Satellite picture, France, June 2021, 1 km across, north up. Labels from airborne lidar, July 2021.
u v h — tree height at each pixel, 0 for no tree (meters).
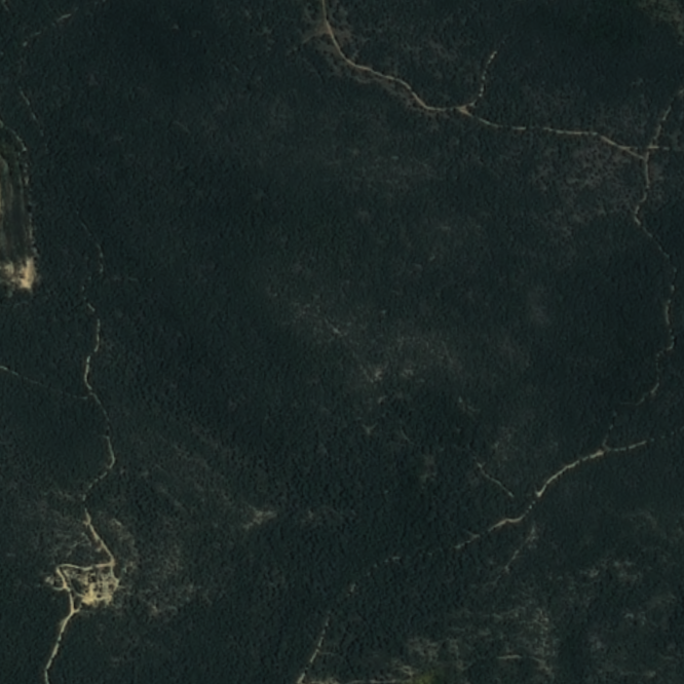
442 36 9
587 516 7
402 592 12
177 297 8
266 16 8
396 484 14
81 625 9
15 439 6
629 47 14
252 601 10
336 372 8
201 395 11
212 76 8
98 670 7
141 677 7
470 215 6
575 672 7
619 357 9
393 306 7
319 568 9
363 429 10
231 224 11
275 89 8
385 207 7
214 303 8
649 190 9
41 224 7
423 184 7
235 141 7
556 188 10
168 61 12
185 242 10
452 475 11
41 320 9
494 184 8
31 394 6
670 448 6
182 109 7
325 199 8
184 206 9
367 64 9
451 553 16
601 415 7
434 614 15
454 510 12
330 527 9
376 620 13
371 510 9
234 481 7
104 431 9
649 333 10
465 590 7
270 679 14
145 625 8
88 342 8
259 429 9
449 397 8
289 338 8
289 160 7
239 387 10
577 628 8
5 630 10
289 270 6
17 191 0
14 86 7
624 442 6
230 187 10
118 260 11
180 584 7
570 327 8
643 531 6
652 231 8
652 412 6
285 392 8
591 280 11
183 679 9
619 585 6
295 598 13
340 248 11
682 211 11
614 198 8
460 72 11
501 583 8
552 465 5
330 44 8
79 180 10
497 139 7
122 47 10
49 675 9
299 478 13
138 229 9
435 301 9
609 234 8
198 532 6
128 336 7
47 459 6
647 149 8
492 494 8
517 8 9
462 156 10
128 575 9
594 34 11
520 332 7
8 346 7
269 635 10
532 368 8
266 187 8
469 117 6
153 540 9
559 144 7
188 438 7
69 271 7
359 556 11
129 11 12
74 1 7
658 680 6
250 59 7
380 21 9
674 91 9
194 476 8
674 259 11
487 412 9
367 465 12
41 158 6
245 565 8
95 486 10
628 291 10
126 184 9
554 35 14
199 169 11
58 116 10
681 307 8
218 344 10
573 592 6
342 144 6
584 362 6
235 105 7
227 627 10
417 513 15
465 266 8
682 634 8
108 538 8
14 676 8
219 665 9
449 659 8
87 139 9
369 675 9
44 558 9
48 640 8
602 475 7
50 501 6
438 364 7
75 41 8
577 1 10
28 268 0
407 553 10
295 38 11
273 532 14
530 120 11
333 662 7
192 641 9
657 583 9
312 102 7
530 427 7
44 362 11
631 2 9
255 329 7
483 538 9
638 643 6
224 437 12
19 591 7
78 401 8
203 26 9
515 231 8
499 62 8
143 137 8
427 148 7
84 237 8
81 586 6
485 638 7
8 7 7
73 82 8
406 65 7
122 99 8
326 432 6
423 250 6
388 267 8
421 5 8
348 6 9
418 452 15
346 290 6
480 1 9
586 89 8
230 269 10
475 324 7
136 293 8
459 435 9
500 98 7
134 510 7
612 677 6
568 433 7
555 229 8
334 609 10
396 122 8
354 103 9
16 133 6
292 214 8
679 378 8
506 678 8
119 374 7
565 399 9
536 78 8
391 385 8
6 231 0
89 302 12
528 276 6
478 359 7
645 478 6
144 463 8
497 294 8
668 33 11
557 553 8
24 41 8
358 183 6
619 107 6
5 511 6
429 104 6
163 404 12
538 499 7
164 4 7
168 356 12
